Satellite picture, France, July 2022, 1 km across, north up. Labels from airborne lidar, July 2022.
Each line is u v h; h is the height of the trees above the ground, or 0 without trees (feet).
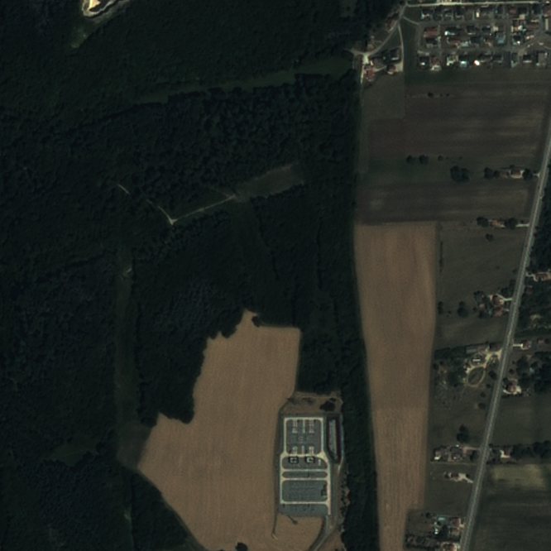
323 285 79
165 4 67
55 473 80
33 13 67
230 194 0
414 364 0
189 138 91
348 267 58
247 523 0
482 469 0
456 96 0
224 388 0
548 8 0
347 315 74
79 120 61
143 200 88
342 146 80
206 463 0
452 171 39
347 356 47
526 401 0
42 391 78
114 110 38
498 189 0
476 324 0
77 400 60
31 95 49
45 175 70
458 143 0
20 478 68
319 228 60
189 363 90
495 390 0
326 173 84
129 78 58
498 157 0
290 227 80
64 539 45
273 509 0
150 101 0
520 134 0
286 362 0
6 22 88
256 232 19
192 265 81
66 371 84
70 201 94
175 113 96
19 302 107
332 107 73
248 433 0
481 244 0
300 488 0
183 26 54
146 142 105
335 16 79
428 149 0
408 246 0
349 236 47
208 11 59
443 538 43
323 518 0
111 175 94
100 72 67
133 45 57
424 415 0
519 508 0
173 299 76
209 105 99
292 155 61
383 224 0
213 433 0
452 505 0
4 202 75
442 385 0
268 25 62
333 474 0
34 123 73
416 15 0
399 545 0
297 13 32
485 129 0
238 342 0
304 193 72
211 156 58
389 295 0
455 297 0
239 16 62
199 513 0
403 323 0
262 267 29
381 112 0
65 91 52
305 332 51
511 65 0
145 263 61
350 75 42
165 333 66
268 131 70
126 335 31
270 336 0
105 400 62
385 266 0
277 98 114
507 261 0
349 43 69
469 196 0
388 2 70
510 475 0
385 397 0
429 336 0
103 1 0
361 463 62
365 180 0
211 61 61
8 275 29
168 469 0
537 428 0
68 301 87
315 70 0
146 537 69
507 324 0
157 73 45
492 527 0
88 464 82
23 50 76
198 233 72
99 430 92
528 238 0
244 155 26
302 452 0
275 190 0
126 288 0
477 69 0
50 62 71
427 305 0
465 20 0
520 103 0
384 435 0
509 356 0
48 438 55
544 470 0
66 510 71
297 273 75
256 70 62
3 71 83
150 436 0
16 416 55
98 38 64
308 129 57
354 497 46
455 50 0
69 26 51
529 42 0
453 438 0
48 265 22
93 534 44
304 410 0
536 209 0
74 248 27
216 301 77
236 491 0
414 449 0
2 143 89
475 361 0
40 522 47
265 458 0
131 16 59
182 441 0
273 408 0
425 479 0
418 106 0
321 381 19
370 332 0
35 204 96
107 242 24
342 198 73
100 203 87
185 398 91
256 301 49
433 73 0
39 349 73
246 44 74
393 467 0
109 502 82
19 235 109
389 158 0
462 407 0
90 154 108
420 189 0
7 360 108
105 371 62
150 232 28
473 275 0
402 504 0
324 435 0
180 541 33
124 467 28
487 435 0
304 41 95
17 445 73
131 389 0
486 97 0
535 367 39
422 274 0
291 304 30
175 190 84
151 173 87
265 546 0
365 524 60
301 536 0
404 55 0
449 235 0
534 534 0
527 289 0
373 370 0
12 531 64
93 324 70
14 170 61
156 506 107
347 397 54
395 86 0
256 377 0
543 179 0
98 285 63
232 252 91
